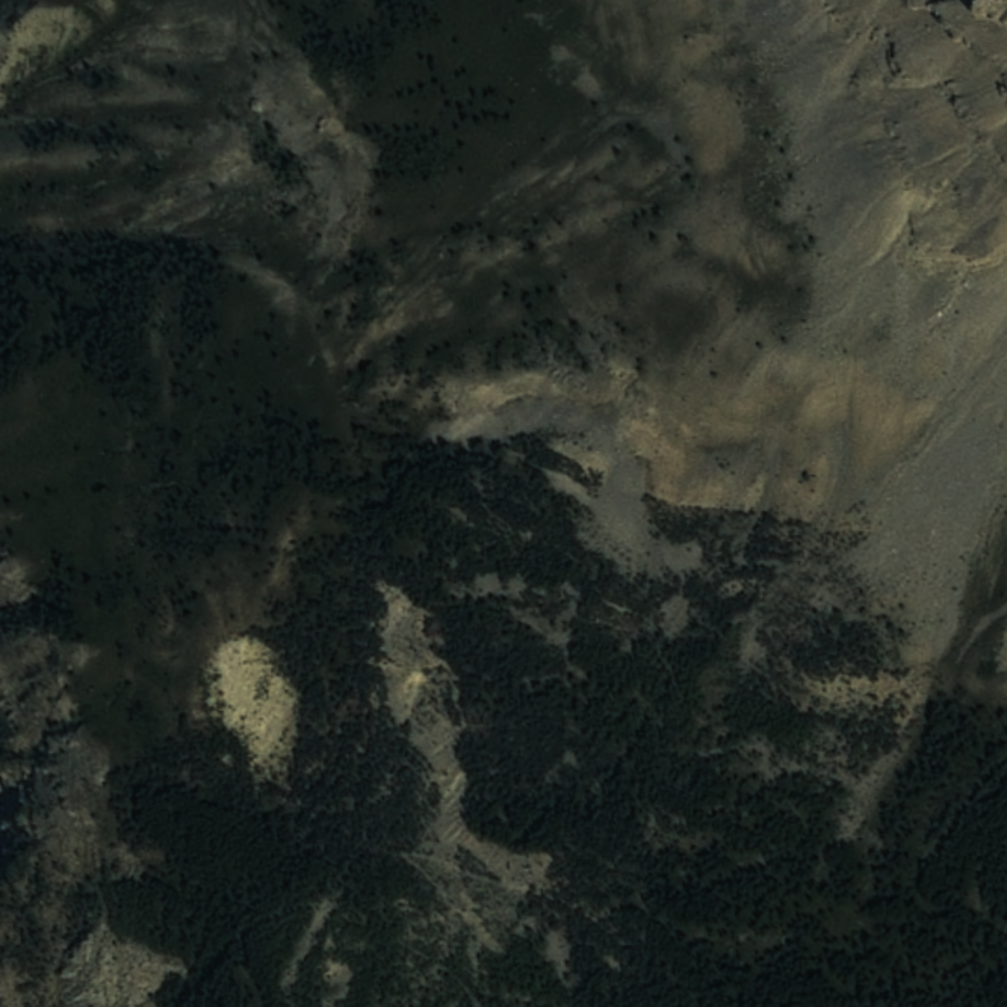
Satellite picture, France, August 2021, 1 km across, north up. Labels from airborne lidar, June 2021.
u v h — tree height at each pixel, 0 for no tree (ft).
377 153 0
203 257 33
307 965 31
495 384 0
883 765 0
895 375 0
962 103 0
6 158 0
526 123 0
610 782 35
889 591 0
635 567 0
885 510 0
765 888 35
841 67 0
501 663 33
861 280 0
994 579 0
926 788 45
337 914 27
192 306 26
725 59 0
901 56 0
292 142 0
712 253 0
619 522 0
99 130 0
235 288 0
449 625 28
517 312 0
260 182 0
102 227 0
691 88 0
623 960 21
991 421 0
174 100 0
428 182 26
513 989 36
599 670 26
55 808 0
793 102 0
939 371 0
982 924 50
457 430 0
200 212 0
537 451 27
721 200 0
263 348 0
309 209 0
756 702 31
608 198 0
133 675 0
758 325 0
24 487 0
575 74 0
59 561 23
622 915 45
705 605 25
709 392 0
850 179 0
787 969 38
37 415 0
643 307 0
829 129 0
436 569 27
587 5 0
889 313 0
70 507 0
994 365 0
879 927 20
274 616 29
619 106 0
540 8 0
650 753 51
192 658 0
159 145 0
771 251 0
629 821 30
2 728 33
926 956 52
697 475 0
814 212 0
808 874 47
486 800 41
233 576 0
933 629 0
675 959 36
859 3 0
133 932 53
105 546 0
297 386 0
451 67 0
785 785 41
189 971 34
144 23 0
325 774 28
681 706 23
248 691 0
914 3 0
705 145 0
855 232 0
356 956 29
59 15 0
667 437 0
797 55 0
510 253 0
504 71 0
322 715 40
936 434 0
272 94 0
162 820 81
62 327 32
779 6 0
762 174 0
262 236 0
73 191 0
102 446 0
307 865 66
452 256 20
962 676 0
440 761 0
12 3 0
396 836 35
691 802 45
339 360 0
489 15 0
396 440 36
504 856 0
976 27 0
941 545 0
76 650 0
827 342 0
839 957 41
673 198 0
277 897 63
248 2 0
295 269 0
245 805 40
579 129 0
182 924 85
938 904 34
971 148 0
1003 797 51
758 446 0
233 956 46
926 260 0
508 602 51
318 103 0
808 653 24
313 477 35
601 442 0
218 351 0
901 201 0
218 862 87
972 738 39
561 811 41
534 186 0
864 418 0
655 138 0
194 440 0
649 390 0
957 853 37
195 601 28
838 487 0
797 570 0
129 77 0
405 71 0
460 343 0
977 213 0
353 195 0
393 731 22
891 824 42
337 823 38
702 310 0
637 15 0
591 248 0
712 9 0
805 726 43
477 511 26
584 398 0
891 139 0
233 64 0
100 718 0
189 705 0
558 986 42
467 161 0
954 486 0
